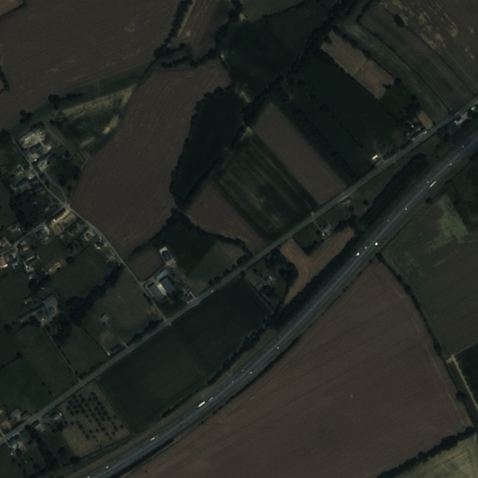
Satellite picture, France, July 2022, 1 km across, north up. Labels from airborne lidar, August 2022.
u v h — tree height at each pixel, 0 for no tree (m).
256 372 0
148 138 0
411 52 0
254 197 0
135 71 0
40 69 0
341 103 0
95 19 0
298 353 0
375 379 0
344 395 0
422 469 0
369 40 0
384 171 0
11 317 0
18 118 0
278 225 0
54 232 0
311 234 0
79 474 0
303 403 0
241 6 23
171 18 0
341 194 0
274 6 0
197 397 0
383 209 7
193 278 0
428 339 0
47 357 0
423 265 0
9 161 0
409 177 9
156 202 0
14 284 0
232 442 0
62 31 0
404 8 0
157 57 21
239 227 0
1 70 9
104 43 0
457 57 0
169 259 0
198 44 0
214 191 0
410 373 0
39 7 0
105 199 0
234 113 0
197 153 0
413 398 0
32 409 0
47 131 0
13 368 0
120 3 0
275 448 0
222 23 0
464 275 0
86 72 0
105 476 0
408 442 0
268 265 15
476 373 0
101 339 0
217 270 0
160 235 11
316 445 0
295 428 0
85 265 0
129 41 0
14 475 0
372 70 0
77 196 0
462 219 0
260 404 0
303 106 0
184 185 0
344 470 0
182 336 0
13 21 0
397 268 0
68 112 0
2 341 0
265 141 0
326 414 0
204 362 0
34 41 0
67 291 0
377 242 0
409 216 0
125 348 6
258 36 0
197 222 0
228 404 5
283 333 0
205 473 0
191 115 0
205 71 0
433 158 0
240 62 0
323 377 0
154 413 0
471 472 0
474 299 0
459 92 0
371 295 0
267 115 0
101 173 0
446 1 0
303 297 7
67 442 0
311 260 0
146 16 0
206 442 0
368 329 0
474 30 0
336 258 7
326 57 17
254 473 0
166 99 0
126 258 0
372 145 0
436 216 0
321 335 0
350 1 14
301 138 0
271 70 0
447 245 0
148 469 0
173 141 0
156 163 0
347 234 0
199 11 0
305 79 0
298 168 0
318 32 17
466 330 0
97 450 0
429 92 0
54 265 0
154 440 0
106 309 0
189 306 0
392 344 0
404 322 0
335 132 0
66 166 6
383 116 0
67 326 27
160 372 0
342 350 0
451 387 0
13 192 9
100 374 0
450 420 0
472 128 0
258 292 12
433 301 0
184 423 0
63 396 0
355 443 0
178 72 0
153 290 0
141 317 0
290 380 0
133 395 0
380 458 0
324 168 0
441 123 0
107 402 0
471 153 0
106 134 0
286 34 0
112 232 0
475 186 0
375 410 0
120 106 0
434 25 0
